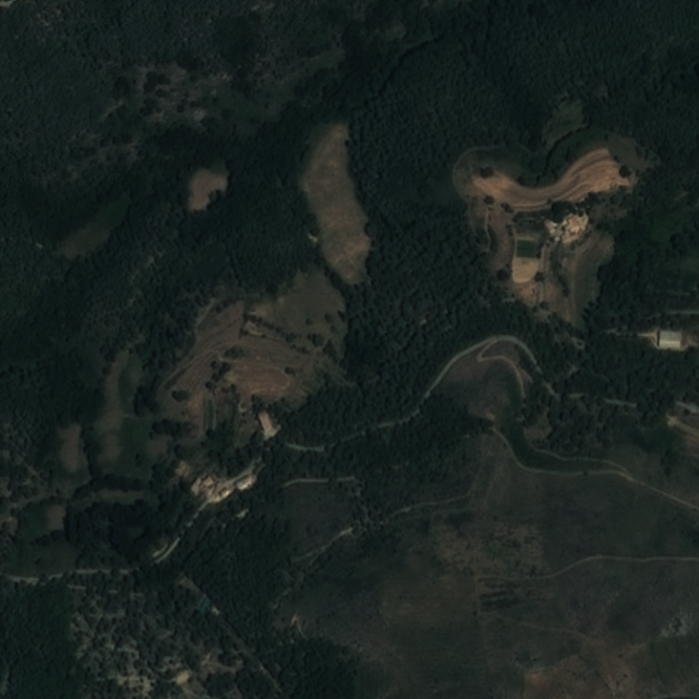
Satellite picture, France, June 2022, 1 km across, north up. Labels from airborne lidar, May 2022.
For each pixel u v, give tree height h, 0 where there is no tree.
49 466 9
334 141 0
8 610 13
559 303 0
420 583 0
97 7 12
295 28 14
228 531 13
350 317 17
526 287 0
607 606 0
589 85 12
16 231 12
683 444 0
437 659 0
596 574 0
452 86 13
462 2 11
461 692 0
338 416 18
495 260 0
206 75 7
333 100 16
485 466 0
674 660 0
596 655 0
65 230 10
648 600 0
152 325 17
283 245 9
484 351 0
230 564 11
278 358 0
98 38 21
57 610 16
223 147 19
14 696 15
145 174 12
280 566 11
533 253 0
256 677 18
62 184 7
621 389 13
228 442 8
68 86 12
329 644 7
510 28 20
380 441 11
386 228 6
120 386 0
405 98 16
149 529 33
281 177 19
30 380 13
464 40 30
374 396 16
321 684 12
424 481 8
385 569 0
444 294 13
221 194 24
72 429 0
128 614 14
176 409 0
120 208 0
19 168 16
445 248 17
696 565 0
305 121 12
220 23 20
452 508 0
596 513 0
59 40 13
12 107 10
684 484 0
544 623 0
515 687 0
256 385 0
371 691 0
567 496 0
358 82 18
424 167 9
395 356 17
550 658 0
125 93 11
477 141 10
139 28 20
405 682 0
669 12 12
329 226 0
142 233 16
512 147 8
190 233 26
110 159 12
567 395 11
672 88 22
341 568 0
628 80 16
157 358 9
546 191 0
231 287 0
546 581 0
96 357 0
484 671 0
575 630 0
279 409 13
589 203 12
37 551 0
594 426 7
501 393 0
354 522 6
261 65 9
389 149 12
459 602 0
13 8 10
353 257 0
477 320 10
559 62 14
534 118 23
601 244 0
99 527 35
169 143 23
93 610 12
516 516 0
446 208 11
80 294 8
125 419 0
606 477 0
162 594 14
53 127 16
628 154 0
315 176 0
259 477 10
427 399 9
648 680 0
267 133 11
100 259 14
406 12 18
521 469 0
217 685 11
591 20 17
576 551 0
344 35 6
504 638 0
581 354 16
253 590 13
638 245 6
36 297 6
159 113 7
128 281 11
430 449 9
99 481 17
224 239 14
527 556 0
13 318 9
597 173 0
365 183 15
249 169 23
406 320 10
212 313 0
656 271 9
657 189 12
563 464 0
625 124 17
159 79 12
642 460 0
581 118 19
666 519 0
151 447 0
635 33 13
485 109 13
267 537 10
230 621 15
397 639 0
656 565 0
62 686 19
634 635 0
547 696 0
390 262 9
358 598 0
